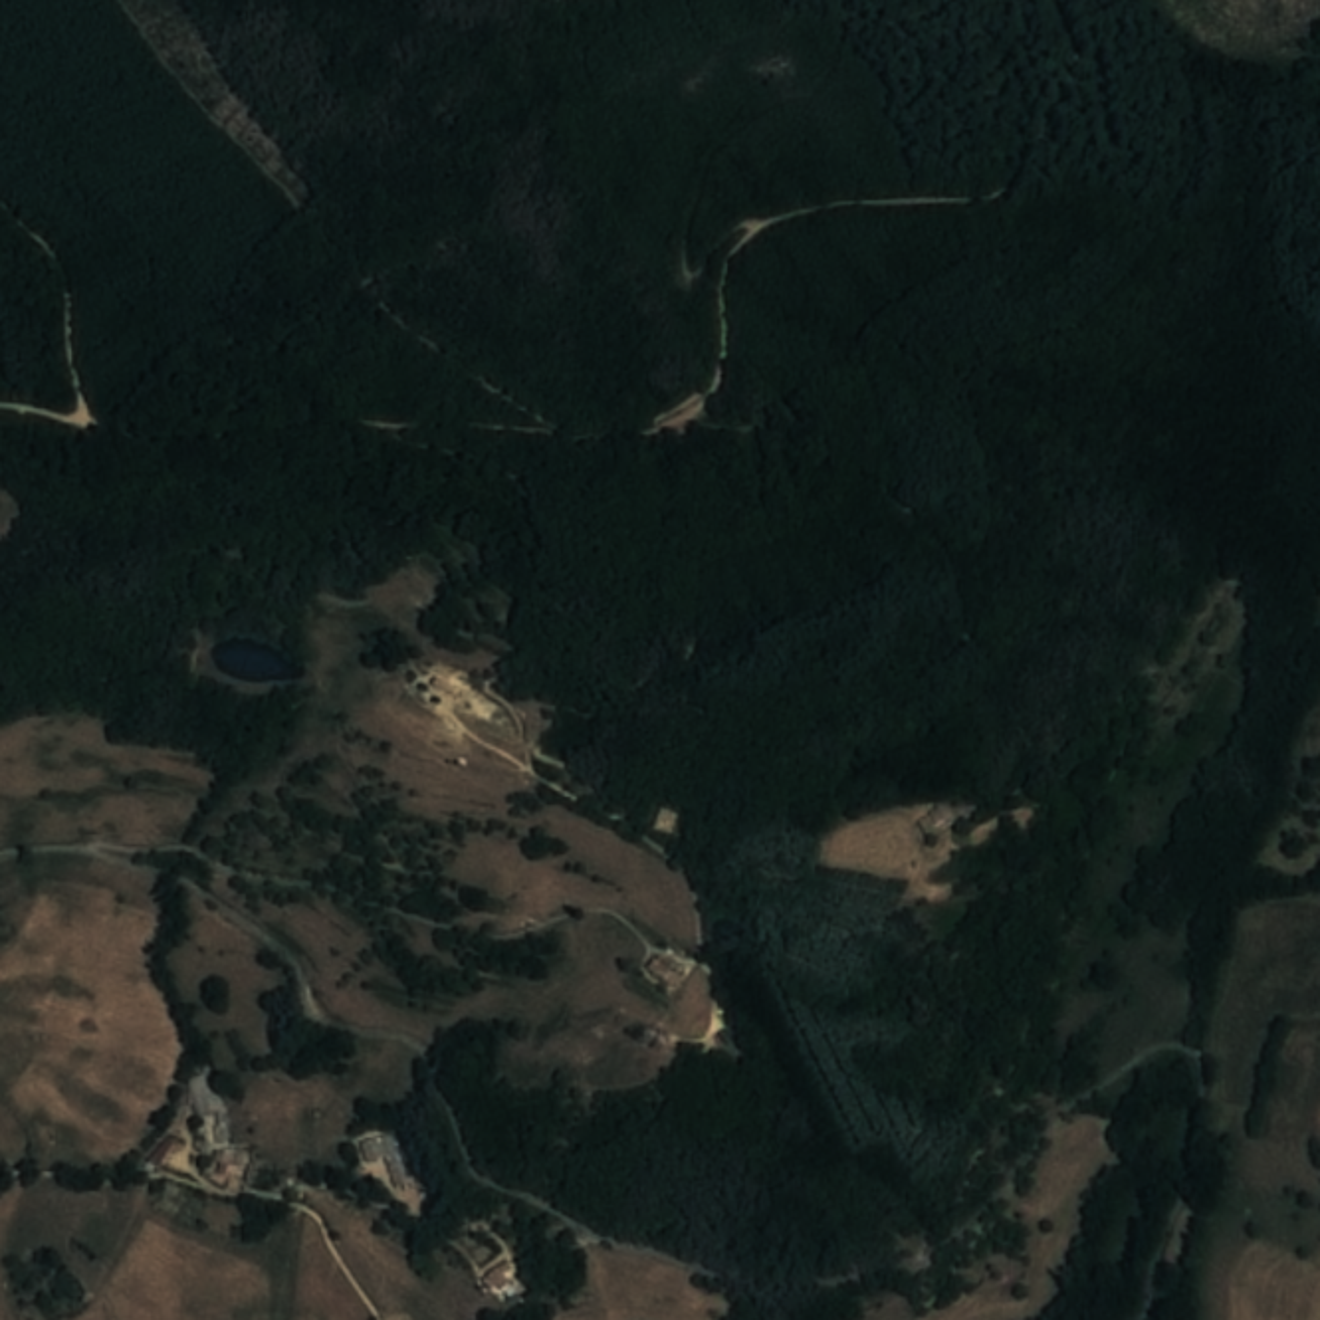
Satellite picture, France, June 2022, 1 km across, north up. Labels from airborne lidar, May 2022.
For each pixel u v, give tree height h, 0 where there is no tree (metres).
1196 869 22
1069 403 18
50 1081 0
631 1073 0
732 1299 8
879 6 29
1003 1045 14
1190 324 16
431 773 0
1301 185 22
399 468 22
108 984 0
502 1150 13
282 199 11
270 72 15
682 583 19
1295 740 13
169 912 21
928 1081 15
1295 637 24
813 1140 17
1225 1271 0
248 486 24
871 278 14
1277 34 0
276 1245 0
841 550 11
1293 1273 0
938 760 17
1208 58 18
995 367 17
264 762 0
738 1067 12
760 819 23
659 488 19
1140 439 13
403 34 18
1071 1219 0
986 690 15
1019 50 22
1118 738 19
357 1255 0
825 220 10
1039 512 18
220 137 13
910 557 14
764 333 13
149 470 20
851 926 17
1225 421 14
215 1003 19
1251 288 22
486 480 20
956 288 18
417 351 16
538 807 12
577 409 23
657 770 17
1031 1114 8
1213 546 15
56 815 0
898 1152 17
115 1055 0
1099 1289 23
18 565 12
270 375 27
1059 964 18
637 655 19
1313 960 0
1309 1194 11
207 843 11
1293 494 25
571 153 23
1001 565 13
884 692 24
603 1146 14
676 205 6
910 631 20
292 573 16
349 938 0
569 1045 0
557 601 21
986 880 14
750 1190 19
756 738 21
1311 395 27
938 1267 13
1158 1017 0
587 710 23
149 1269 0
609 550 19
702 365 14
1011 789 15
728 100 6
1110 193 21
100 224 14
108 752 0
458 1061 17
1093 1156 0
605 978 0
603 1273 0
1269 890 14
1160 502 19
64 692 16
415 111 14
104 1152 0
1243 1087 0
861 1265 18
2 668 20
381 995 0
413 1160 13
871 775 17
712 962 14
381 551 21
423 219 17
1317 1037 0
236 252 12
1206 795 20
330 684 0
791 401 18
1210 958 20
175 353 24
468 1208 19
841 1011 17
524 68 17
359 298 17
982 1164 9
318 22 12
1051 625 19
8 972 0
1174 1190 7
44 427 9
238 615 20
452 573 16
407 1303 0
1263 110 31
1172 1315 22
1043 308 20
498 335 15
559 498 23
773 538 18
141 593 16
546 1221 16
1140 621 13
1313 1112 0
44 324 20
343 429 18
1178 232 15
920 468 31
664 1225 13
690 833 17
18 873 0
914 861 0
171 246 14
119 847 0
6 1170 30
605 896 0
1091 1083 15
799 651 31
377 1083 0
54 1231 0
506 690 13
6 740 0
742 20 10
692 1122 10
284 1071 9
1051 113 26
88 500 23
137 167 12
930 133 29
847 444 22
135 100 12
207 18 16
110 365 11
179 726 22
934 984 15
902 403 35
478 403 17
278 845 9
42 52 13
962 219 18
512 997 0
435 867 12
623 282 14
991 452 16
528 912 0
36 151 14
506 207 15
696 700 19
